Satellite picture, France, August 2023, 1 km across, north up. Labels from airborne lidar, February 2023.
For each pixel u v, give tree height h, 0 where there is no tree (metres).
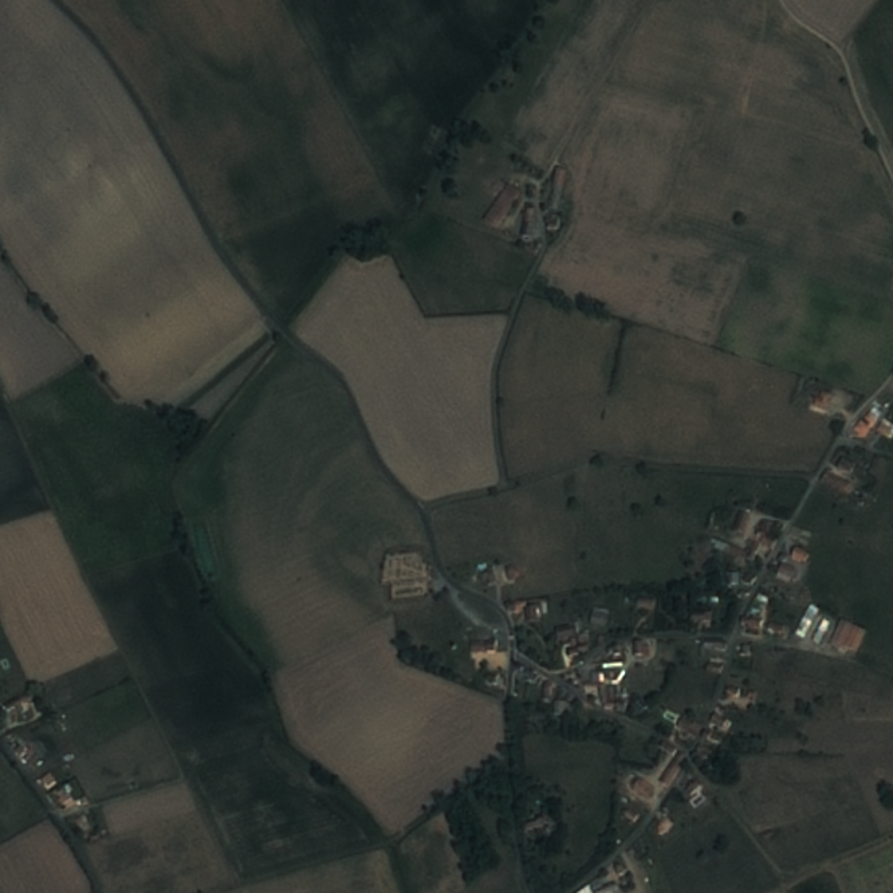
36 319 0
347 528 0
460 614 0
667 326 0
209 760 0
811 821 0
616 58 0
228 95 0
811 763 0
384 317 0
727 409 0
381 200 0
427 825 0
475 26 0
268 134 0
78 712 0
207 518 0
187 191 0
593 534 0
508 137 0
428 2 0
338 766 0
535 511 0
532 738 0
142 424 0
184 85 0
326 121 0
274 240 0
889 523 0
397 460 0
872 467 0
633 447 0
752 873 0
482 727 0
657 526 0
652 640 0
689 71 0
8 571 0
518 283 0
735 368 0
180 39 0
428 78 0
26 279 0
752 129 0
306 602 0
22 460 0
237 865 0
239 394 0
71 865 0
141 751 0
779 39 0
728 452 0
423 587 0
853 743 0
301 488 0
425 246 0
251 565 0
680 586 15
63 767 0
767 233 0
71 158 0
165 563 0
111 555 0
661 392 0
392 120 0
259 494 0
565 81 0
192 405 0
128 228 0
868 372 0
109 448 0
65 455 0
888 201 0
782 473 0
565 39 0
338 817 0
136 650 0
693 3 0
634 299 0
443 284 0
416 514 0
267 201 0
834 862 0
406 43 0
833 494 0
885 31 0
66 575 0
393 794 0
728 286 0
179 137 0
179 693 0
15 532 0
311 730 0
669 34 0
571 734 14
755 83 0
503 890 0
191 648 0
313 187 0
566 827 13
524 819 11
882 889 0
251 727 0
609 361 0
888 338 0
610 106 0
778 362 0
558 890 10
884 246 0
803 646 0
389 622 0
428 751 0
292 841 0
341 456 0
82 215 0
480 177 0
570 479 0
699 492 0
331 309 0
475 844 12
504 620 0
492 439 0
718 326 0
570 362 0
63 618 0
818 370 0
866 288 0
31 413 0
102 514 0
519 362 0
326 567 0
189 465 0
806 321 0
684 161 0
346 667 0
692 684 0
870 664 0
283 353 0
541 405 0
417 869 0
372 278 0
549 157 0
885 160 0
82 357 0
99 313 0
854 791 0
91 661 0
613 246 0
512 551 0
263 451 0
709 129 0
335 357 0
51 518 0
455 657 0
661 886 0
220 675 0
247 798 0
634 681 0
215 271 0
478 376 0
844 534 0
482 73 0
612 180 0
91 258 0
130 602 0
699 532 0
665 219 0
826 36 0
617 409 0
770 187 0
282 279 0
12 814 0
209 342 0
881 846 0
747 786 0
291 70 0
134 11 0
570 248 0
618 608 0
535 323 0
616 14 0
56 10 0
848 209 0
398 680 0
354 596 0
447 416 0
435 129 0
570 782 0
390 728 0
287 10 0
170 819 0
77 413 0
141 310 0
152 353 0
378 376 0
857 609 0
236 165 0
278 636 0
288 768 0
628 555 0
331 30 0
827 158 0
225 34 0
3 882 0
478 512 0
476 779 16
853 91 0
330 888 0
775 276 0
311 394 0
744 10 0
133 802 0
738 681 0
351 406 0
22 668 0
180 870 0
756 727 0
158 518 0
